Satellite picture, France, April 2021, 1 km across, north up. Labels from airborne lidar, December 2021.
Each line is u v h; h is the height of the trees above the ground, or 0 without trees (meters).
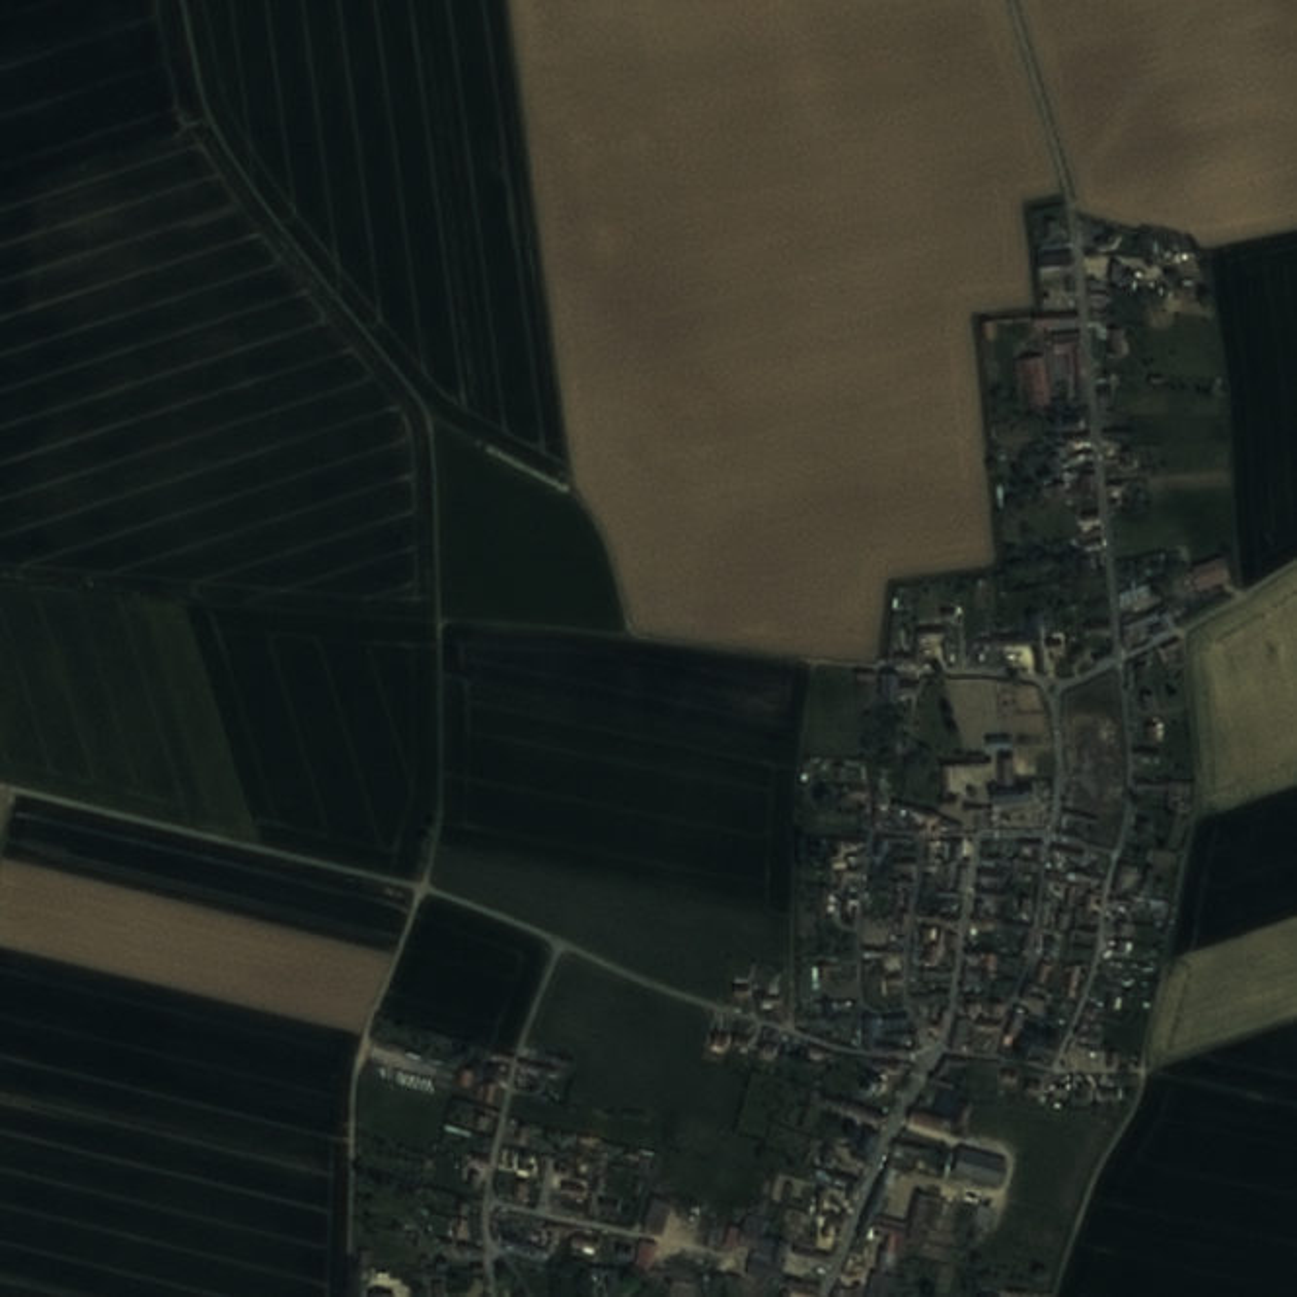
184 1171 0
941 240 0
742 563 0
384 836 0
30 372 0
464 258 0
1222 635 0
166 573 0
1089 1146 0
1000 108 0
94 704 0
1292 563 0
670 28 0
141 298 0
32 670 0
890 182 0
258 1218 0
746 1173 0
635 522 0
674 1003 0
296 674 0
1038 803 0
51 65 0
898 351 0
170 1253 0
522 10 0
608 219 0
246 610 0
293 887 0
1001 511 10
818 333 0
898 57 0
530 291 0
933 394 0
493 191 0
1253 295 0
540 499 0
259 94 0
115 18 0
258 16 0
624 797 0
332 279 0
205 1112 0
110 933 0
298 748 0
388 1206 0
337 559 0
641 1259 0
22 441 0
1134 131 0
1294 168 0
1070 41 0
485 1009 0
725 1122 0
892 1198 0
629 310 0
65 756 0
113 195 0
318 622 0
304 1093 0
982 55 0
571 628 0
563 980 0
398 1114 0
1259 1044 0
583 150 0
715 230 0
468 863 0
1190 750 0
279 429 0
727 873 0
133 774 0
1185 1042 0
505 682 0
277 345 0
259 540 0
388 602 0
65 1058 0
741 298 0
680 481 0
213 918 0
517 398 0
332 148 0
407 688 0
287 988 0
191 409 0
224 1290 0
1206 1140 0
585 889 0
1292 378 0
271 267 0
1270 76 0
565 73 0
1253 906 0
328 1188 0
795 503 0
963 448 0
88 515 0
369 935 0
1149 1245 0
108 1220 0
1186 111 0
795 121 0
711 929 0
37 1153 0
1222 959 0
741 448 0
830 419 0
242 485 0
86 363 0
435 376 0
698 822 0
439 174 0
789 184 0
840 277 0
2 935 0
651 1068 0
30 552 0
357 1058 0
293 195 0
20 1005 0
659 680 0
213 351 0
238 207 0
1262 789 0
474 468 0
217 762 0
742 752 0
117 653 0
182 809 0
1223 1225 0
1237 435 0
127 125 0
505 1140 0
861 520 0
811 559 0
